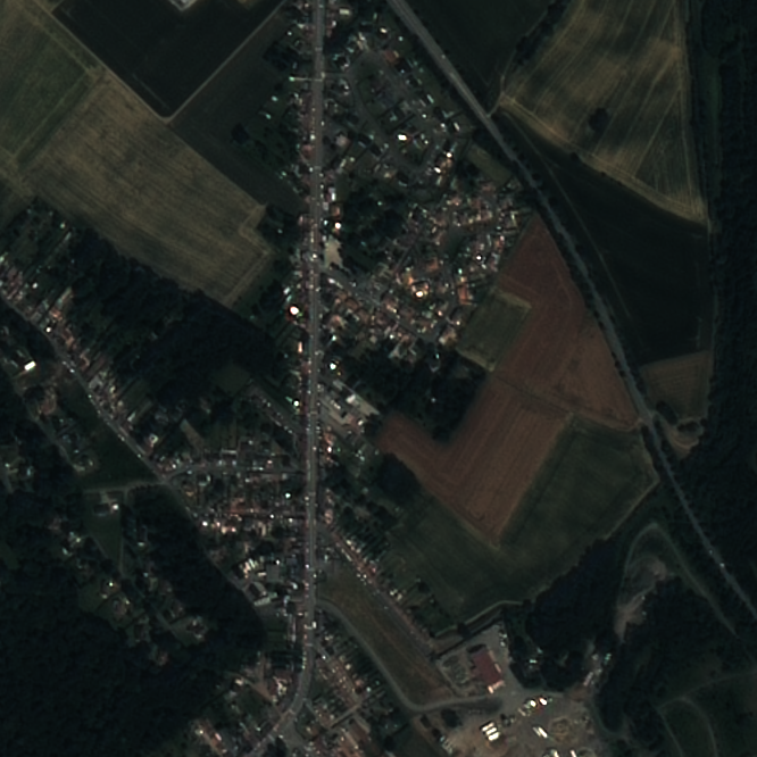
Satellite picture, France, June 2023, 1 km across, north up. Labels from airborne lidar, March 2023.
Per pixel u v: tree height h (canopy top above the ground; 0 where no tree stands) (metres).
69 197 0
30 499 23
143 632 0
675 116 0
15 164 0
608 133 0
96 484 0
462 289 0
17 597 22
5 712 28
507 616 10
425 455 0
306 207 0
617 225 0
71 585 24
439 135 0
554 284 0
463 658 0
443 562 0
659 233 0
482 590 0
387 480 28
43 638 25
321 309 0
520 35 0
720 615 0
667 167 0
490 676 0
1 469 0
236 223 0
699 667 0
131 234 0
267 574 0
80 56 0
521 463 0
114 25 0
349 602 0
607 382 0
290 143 8
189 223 0
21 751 25
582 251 17
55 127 0
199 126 0
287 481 7
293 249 7
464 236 0
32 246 0
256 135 0
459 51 0
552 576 0
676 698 0
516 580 0
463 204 0
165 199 0
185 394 17
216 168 0
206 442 0
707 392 0
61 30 0
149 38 0
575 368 0
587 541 0
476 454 0
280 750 10
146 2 0
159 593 6
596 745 0
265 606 0
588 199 0
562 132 0
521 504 0
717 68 0
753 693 0
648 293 0
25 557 23
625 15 0
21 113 0
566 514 0
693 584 0
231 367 0
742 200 9
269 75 0
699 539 9
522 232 0
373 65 0
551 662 15
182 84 0
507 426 0
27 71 0
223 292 0
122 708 28
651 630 10
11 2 0
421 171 0
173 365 11
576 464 0
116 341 11
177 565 20
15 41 0
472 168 14
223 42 0
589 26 0
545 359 0
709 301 0
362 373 8
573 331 0
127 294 19
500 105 0
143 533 0
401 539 0
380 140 0
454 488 0
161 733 24
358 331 0
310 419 0
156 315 13
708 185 8
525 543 0
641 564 0
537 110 0
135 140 0
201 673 22
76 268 7
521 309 0
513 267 0
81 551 9
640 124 0
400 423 0
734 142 11
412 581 0
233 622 24
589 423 0
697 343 0
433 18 0
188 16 0
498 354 0
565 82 0
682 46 0
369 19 0
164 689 27
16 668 25
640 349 0
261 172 0
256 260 0
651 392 0
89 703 27
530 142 0
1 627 23
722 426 12
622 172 0
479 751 0
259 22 0
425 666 0
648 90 0
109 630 25
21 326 24
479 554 0
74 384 0
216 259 0
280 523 0
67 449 0
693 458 6
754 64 6
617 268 0
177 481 0
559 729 0
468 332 0
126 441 0
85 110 0
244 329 22
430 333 0
